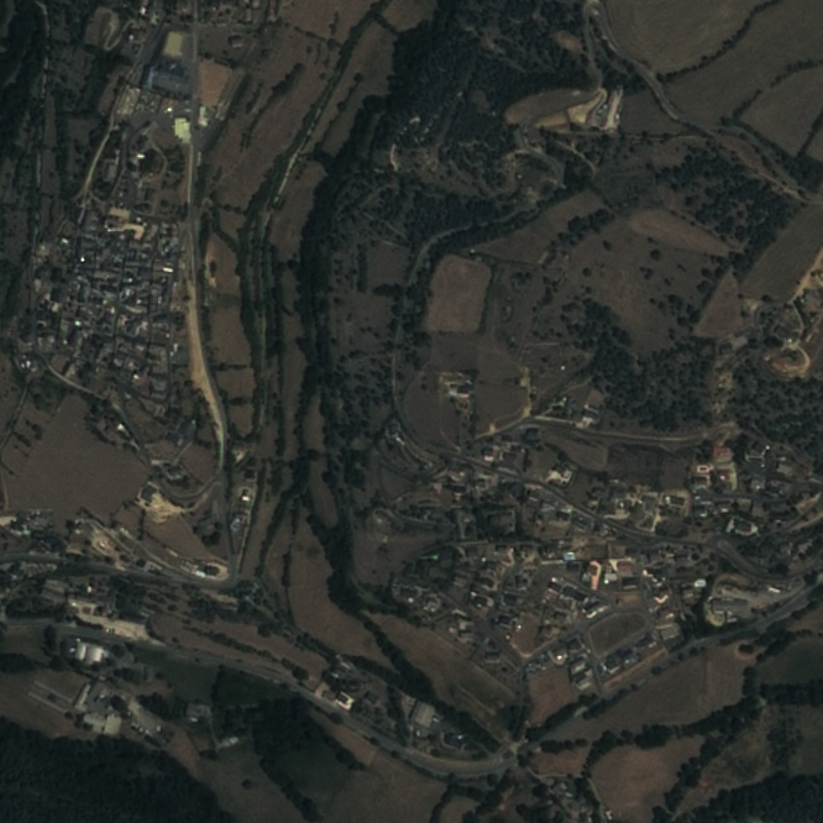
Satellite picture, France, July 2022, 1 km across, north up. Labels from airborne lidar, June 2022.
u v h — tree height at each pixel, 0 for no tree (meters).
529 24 10
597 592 0
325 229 10
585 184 8
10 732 23
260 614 18
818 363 0
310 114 7
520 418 0
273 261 8
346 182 8
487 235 16
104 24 0
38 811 9
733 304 0
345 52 10
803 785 15
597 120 0
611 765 0
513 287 0
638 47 0
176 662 0
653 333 0
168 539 0
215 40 0
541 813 16
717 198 8
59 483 0
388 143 10
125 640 0
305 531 0
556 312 0
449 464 12
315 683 0
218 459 8
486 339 0
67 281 7
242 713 13
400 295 10
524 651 0
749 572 0
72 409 0
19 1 30
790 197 7
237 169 0
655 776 0
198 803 21
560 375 0
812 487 6
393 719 11
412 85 11
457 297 0
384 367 10
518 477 0
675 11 0
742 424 10
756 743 0
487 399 0
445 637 0
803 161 8
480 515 15
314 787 0
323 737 18
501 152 6
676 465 0
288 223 0
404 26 0
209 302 0
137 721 0
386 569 0
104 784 20
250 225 7
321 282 10
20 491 0
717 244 0
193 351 0
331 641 0
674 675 0
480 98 0
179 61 0
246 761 0
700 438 0
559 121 0
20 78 10
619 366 13
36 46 15
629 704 0
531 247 0
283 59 0
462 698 0
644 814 0
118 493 0
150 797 20
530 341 0
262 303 7
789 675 0
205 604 9
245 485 0
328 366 12
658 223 0
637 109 0
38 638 0
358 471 8
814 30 0
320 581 0
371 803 0
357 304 0
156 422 7
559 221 0
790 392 9
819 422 11
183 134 0
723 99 0
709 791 0
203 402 9
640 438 0
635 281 0
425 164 0
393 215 9
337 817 0
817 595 13
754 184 12
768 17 0
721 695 0
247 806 0
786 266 0
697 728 14
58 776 14
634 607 0
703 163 11
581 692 0
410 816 0
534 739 13
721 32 0
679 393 7
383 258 0
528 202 0
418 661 0
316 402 0
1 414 0
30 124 9
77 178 8
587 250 0
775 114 0
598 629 0
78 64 0
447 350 0
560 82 11
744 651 10
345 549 13
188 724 0
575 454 0
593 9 0
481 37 6
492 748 9
